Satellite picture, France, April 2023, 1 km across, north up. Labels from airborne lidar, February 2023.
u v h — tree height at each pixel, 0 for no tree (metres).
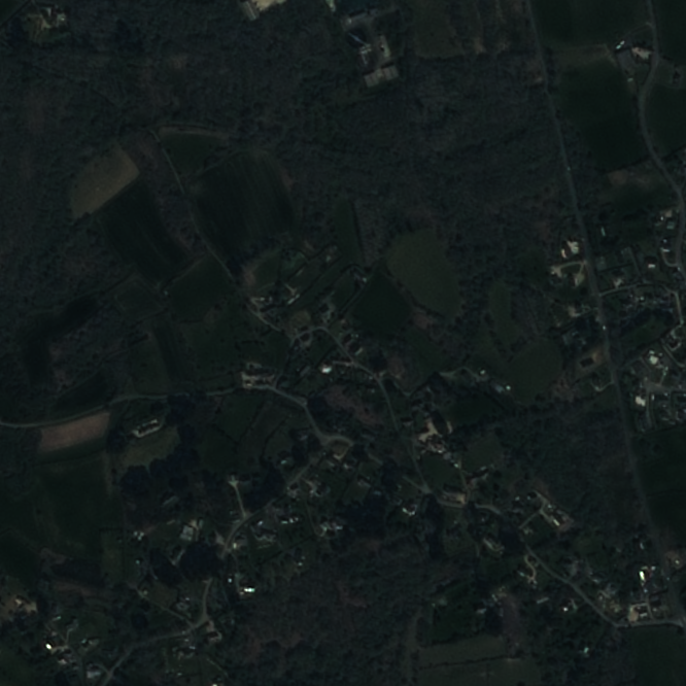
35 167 12
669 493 0
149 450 0
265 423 0
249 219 0
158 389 0
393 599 9
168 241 0
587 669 11
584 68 0
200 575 14
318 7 8
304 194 6
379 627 10
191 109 9
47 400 7
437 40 0
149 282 0
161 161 7
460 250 12
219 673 0
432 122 6
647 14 0
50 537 0
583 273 0
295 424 0
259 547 0
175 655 0
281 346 0
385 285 0
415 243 0
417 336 0
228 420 0
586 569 13
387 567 18
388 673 7
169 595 0
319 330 0
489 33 10
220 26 9
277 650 12
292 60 16
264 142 21
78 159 9
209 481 19
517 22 0
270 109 9
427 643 9
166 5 10
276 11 11
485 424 14
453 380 0
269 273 0
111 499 0
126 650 9
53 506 0
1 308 7
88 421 0
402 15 8
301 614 6
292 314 0
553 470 10
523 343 15
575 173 9
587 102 0
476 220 10
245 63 18
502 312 0
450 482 0
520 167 9
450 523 0
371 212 19
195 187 0
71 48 14
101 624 0
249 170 0
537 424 8
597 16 0
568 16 0
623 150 0
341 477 0
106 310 7
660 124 0
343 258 0
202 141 0
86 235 9
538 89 7
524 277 8
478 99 8
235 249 0
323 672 7
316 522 11
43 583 19
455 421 0
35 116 10
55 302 6
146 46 9
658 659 0
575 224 10
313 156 11
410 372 16
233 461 0
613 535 18
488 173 11
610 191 0
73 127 10
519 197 8
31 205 15
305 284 0
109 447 14
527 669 0
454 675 0
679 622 0
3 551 0
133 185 0
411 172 14
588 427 11
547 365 0
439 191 9
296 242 0
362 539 8
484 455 0
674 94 0
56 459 0
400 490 0
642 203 0
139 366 0
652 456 6
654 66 0
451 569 0
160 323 0
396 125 11
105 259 10
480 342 0
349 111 10
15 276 9
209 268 0
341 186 11
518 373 0
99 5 20
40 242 9
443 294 0
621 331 12
